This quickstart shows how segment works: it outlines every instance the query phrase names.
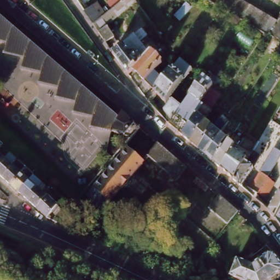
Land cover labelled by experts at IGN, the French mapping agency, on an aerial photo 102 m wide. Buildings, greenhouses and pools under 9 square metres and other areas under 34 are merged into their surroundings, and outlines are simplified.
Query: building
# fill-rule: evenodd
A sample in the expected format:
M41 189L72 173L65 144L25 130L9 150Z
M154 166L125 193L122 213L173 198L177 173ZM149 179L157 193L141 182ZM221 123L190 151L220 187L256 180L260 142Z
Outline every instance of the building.
M108 142L112 142L117 148L112 155L107 156L106 170L102 171L100 168L97 172L97 175L104 178L103 182L95 180L93 196L96 198L101 194L105 195L112 188L126 182L126 175L135 173L143 161L148 159L153 162L171 163L180 174L185 171L185 164L162 143L155 143L151 137L145 136L139 126L129 126L119 120L115 110L87 89L0 13L0 46L3 50L23 55L23 67L39 70L40 81L57 85L58 90L52 92L52 95L73 100L75 112L92 116L92 126L110 129Z
M196 177L195 184L188 186L183 195L179 197L180 207L187 210L187 217L177 224L176 238L185 237L190 230L198 231L206 238L209 231L213 232L229 223L238 209L245 205L241 196L236 196L230 186L223 187L223 182L218 178L206 183L202 178Z
M186 1L184 7L179 9L176 12L178 20L187 13L190 4Z
M280 79L280 63L261 90L267 94Z
M128 10L136 0L72 0L94 34L100 37L104 48L113 55L117 66L125 73L144 101L149 102L154 117L159 117L163 122L163 128L170 129L175 136L185 139L188 145L207 155L215 166L221 164L247 189L257 191L258 199L268 206L271 220L280 226L280 118L276 114L271 116L269 126L254 145L254 150L260 156L255 164L250 163L242 151L233 147L233 140L207 118L210 109L220 97L220 92L211 87L212 80L209 75L192 68L182 58L178 58L173 65L167 66L159 73L154 68L160 65L161 55L153 47L147 47L142 43L142 38L147 35L143 28L138 28L130 35L126 32L120 33L124 21L120 14Z
M46 219L50 213L57 213L60 209L56 205L58 201L47 194L45 184L34 175L31 168L16 159L12 153L3 155L0 159L0 184L16 198L42 211Z
M246 0L222 0L230 12L238 19L246 20L260 37L265 35L271 40L276 40L280 44L280 19L275 19Z
M280 280L280 259L271 250L267 250L253 262L243 257L234 257L231 267L230 280Z

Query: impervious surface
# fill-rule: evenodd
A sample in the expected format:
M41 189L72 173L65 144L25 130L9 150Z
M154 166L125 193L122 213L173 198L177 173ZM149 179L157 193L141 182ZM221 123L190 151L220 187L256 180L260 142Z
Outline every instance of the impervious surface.
M185 139L175 136L170 129L163 128L163 122L159 117L154 117L149 102L144 101L125 73L117 66L113 55L104 48L100 37L94 34L72 0L63 0L100 51L100 54L94 55L93 51L85 49L45 12L36 7L33 0L0 0L0 13L87 89L115 110L119 120L129 126L139 126L145 136L151 137L155 143L162 143L185 164L185 171L180 174L171 163L153 162L148 159L143 161L135 173L126 175L126 182L140 192L144 192L151 185L160 194L166 189L174 189L183 195L188 186L195 184L196 177L202 178L206 183L218 178L223 182L223 187L230 186L236 196L241 196L245 205L248 211L256 212L261 222L261 230L266 234L271 233L280 245L280 226L271 220L268 206L258 199L257 191L247 189L221 164L215 166L207 155L188 145Z
M50 247L56 253L75 252L82 256L85 265L95 271L106 272L115 269L131 277L139 273L139 280L178 280L178 279L174 272L165 272L156 266L140 266L133 262L132 257L126 262L121 258L124 255L115 252L112 247L97 245L91 231L86 235L69 234L60 223L54 223L57 213L50 213L46 219L42 211L16 198L0 184L0 233L14 240L21 236L28 242L42 245L45 249Z
M280 19L280 0L246 0L275 19Z
M12 106L19 103L21 113L39 129L37 135L42 138L48 133L50 139L57 139L58 147L67 151L71 160L79 165L78 172L87 170L95 180L103 182L104 178L97 175L97 172L100 168L102 171L106 170L107 156L112 155L117 148L112 142L108 142L110 129L92 126L92 116L75 112L73 100L52 95L52 92L58 90L57 85L40 81L39 70L23 67L23 55L3 50L0 46L0 94L3 105Z

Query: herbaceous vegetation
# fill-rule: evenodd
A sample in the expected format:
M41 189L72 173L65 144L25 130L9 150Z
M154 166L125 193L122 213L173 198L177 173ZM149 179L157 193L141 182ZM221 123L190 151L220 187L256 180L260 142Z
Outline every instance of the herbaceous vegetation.
M12 153L16 159L31 168L34 175L45 184L47 194L58 201L65 199L75 203L78 200L86 200L93 196L95 180L87 170L78 172L79 165L71 160L67 151L58 147L57 139L50 139L48 133L42 138L37 135L39 129L21 113L19 103L12 106L3 105L0 94L0 159L3 155Z
M271 116L276 114L280 118L280 79L267 94L261 90L280 63L280 44L276 40L271 40L267 50L259 55L259 61L253 65L249 65L248 57L241 58L240 68L234 74L235 82L226 85L218 73L226 66L230 51L243 45L236 35L229 24L223 25L219 30L217 48L205 60L198 62L201 51L205 48L207 32L212 27L217 21L212 20L210 13L202 11L196 17L187 13L178 20L176 12L179 9L176 7L166 10L163 5L157 5L157 0L136 0L128 10L120 14L124 21L120 33L126 32L130 35L138 28L143 28L147 35L142 38L142 43L147 47L153 47L161 55L160 65L154 68L159 73L167 66L173 65L178 58L182 58L192 68L209 75L212 80L211 87L220 92L220 97L210 109L207 118L233 140L233 147L242 151L250 163L255 164L260 156L254 150L254 145L269 126Z
M245 205L238 209L229 223L213 232L209 231L206 238L209 254L219 264L225 261L231 267L234 257L243 257L253 262L267 250L271 250L280 259L280 245L271 233L266 234L261 230L261 222L256 212L248 211Z
M100 54L100 51L63 0L33 0L36 7L45 12L85 49L93 51L94 55Z

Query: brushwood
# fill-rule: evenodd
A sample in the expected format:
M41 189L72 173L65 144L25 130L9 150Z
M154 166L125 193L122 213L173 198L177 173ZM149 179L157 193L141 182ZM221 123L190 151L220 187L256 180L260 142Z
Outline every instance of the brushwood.
M202 264L198 259L192 259L185 275L178 279L178 280L230 280L231 267L225 261L219 264L209 254L203 259Z
M260 37L258 44L243 34L236 35L243 45L230 51L226 66L218 73L226 85L235 82L234 74L240 68L241 58L248 57L249 65L253 65L259 61L259 55L267 50L271 40L265 35Z
M212 27L207 32L205 48L201 51L198 62L205 60L217 48L219 30Z

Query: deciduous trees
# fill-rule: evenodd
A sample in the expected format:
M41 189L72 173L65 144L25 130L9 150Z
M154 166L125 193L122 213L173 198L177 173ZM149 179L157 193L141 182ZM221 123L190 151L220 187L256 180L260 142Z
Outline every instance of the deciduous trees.
M0 280L139 280L139 273L131 277L115 269L106 272L95 271L85 265L82 256L75 252L56 253L50 247L45 249L42 245L28 242L21 236L14 240L0 233Z
M157 0L157 5L163 5L166 10L176 7L179 9L184 7L186 1L190 4L187 13L196 17L202 11L210 13L212 20L217 21L212 27L219 30L223 25L229 24L236 35L243 34L258 44L260 37L246 20L238 19L230 12L222 0Z
M198 231L190 230L185 237L176 238L171 246L165 242L160 243L155 232L149 227L145 203L153 196L160 197L160 194L151 185L144 192L140 192L126 182L112 188L105 195L101 194L96 198L93 196L86 200L98 212L96 222L80 218L71 224L66 219L60 223L69 234L86 235L91 231L97 245L112 247L115 252L124 255L121 258L126 262L132 257L133 262L140 266L156 266L165 272L174 272L178 279L185 275L192 259L198 259L202 264L203 259L209 254L206 238Z

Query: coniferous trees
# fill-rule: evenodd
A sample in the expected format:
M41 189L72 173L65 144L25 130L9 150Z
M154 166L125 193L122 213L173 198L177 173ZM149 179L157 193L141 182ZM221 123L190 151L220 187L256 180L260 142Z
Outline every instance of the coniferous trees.
M174 189L166 189L160 194L160 197L153 196L145 203L149 227L155 232L160 243L165 242L171 246L176 238L177 224L187 217L187 210L180 207L179 197L183 195Z
M60 223L66 219L71 224L80 218L96 222L98 212L86 200L78 200L75 203L65 199L58 201L56 205L60 209L57 213L54 223Z

